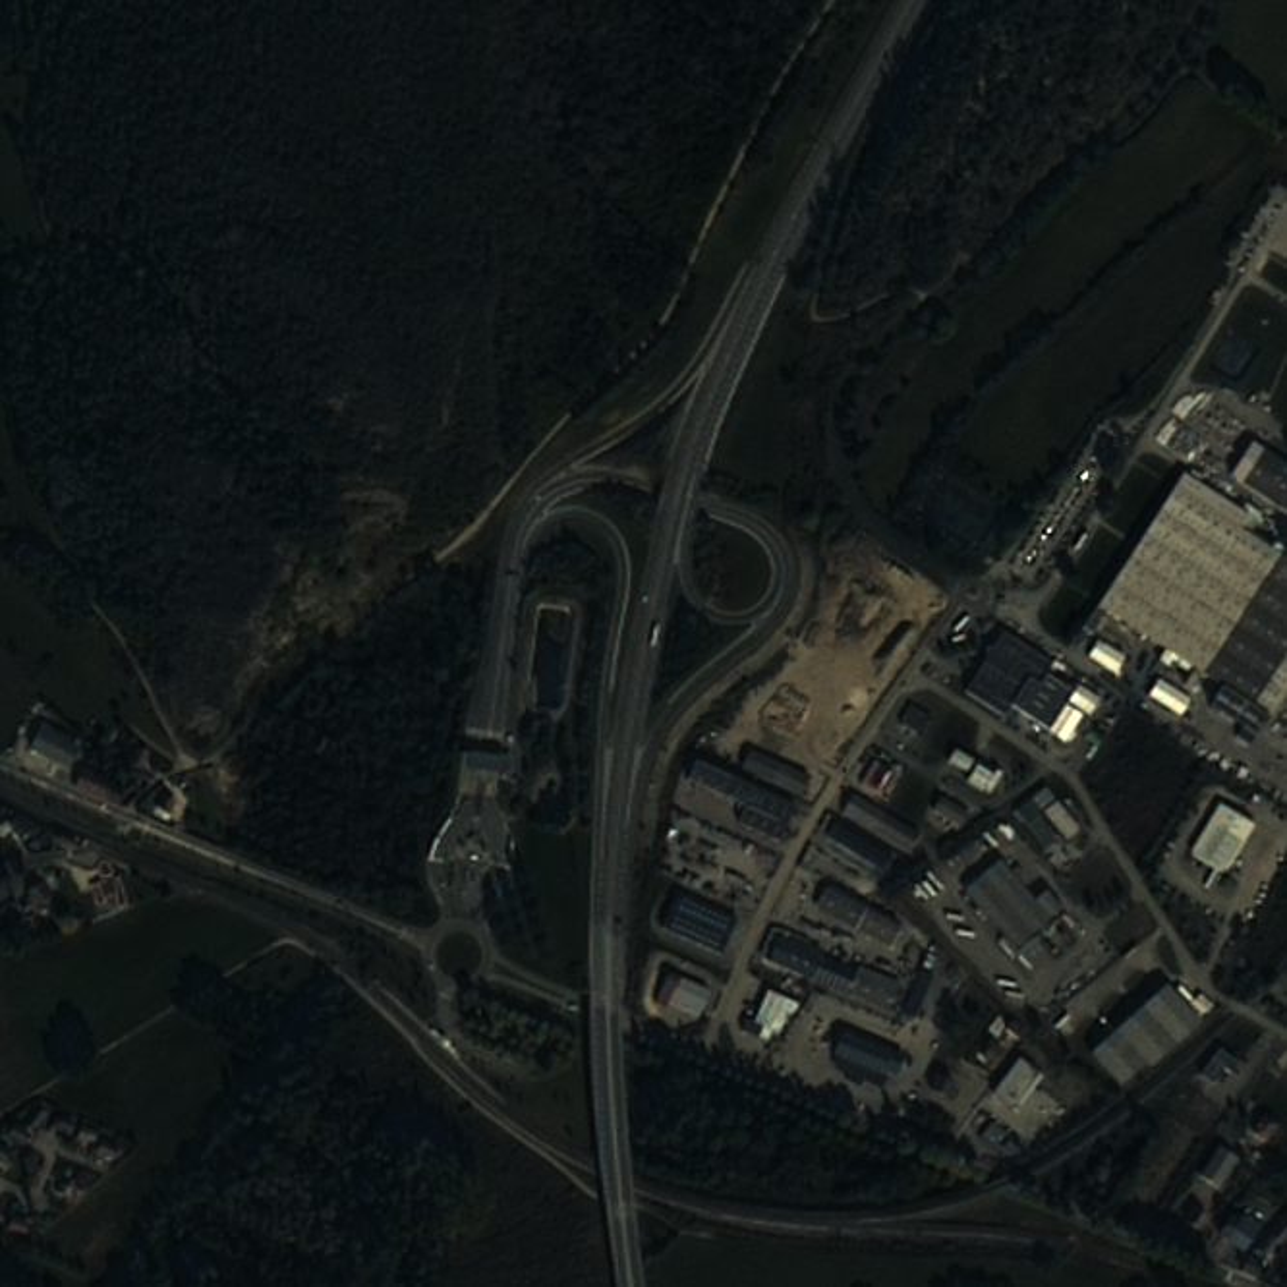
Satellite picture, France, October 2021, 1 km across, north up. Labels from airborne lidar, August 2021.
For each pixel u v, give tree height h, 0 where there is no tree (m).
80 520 23
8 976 0
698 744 0
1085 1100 0
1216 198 0
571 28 28
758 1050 0
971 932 0
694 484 0
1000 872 0
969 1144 0
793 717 0
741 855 0
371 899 12
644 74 32
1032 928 0
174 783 0
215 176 6
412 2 10
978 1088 0
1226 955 0
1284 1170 15
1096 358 0
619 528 0
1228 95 24
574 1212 0
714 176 15
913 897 0
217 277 14
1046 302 0
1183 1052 0
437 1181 38
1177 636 0
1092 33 14
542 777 0
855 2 9
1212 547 0
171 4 11
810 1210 0
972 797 0
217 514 12
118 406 9
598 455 0
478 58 10
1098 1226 20
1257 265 0
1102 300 0
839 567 0
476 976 0
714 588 7
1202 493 0
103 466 19
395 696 13
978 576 0
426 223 10
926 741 0
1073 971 0
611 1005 0
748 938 0
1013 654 0
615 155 23
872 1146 17
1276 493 0
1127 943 0
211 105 12
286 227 11
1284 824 0
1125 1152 0
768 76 8
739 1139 32
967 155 12
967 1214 0
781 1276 0
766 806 0
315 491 15
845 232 7
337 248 11
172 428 8
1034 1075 0
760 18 20
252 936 0
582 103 20
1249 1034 0
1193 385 0
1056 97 8
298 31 8
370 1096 7
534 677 0
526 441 7
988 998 0
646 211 8
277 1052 31
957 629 0
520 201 18
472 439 7
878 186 18
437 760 16
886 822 0
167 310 19
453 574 12
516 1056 15
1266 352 0
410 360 10
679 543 0
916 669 0
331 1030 24
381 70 8
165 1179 0
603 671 0
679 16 28
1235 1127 0
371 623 7
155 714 8
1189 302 0
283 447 12
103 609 11
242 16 14
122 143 9
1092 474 0
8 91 0
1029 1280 0
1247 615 0
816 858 0
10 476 0
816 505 7
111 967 0
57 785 0
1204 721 0
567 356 29
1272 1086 0
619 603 0
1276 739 0
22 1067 0
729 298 0
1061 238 0
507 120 20
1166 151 0
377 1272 34
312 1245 35
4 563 13
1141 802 0
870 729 0
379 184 11
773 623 0
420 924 0
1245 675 0
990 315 0
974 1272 0
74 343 8
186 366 18
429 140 9
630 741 0
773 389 0
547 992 0
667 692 8
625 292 24
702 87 33
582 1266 0
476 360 8
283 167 12
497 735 0
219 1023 17
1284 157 0
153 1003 0
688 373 0
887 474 0
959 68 7
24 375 21
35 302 18
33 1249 15
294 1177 33
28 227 0
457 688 13
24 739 0
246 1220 31
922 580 0
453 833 0
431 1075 0
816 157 0
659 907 0
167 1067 0
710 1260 0
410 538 10
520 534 0
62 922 16
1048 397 0
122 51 14
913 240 15
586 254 21
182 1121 0
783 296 0
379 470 11
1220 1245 0
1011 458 0
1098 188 0
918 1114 7
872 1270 0
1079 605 0
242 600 0
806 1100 13
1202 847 0
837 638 0
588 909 0
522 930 19
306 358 7
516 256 19
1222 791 0
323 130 11
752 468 0
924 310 7
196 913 0
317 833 11
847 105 0
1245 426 0
